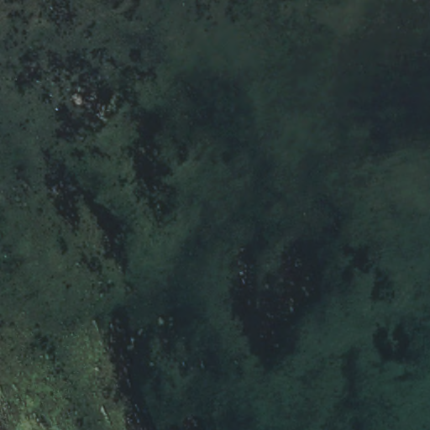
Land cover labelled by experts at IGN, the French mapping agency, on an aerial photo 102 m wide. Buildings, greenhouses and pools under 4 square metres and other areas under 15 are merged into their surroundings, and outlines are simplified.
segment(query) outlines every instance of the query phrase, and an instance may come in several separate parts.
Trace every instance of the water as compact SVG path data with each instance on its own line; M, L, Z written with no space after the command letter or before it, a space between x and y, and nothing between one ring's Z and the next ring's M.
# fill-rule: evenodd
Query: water
M430 0L0 0L0 430L430 430Z

